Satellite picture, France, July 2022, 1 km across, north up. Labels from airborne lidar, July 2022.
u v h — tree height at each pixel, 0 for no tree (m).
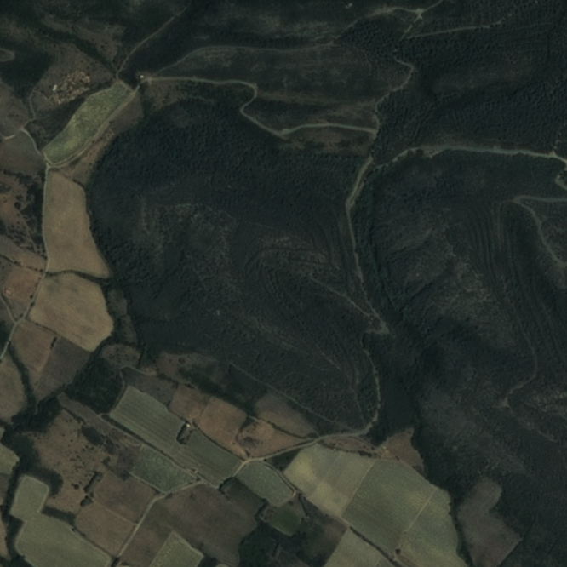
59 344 0
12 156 0
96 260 0
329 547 0
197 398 0
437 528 0
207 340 6
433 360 9
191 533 0
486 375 5
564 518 6
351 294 8
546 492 6
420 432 8
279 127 0
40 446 0
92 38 0
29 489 0
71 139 0
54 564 0
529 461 7
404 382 13
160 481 0
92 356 6
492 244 9
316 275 8
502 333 0
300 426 0
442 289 6
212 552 0
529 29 8
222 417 0
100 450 0
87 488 10
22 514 0
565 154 7
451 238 7
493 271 6
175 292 9
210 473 0
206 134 9
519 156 7
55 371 0
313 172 8
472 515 0
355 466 0
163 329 9
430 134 6
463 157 7
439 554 0
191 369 0
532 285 9
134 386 0
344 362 8
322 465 0
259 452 0
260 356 8
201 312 7
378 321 7
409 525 0
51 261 0
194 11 9
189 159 9
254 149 11
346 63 0
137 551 0
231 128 11
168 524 0
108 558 0
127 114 0
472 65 14
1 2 6
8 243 0
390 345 6
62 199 0
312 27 0
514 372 7
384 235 6
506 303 7
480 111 10
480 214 6
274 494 0
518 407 6
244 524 0
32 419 11
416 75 12
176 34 9
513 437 6
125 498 0
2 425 6
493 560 0
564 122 14
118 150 9
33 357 0
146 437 0
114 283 11
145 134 6
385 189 0
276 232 6
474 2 9
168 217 7
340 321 10
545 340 12
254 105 6
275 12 0
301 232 7
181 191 7
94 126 0
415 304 10
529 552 6
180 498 0
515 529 7
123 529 0
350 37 9
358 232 16
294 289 10
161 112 6
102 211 0
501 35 8
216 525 0
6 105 0
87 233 0
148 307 6
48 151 0
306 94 0
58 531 0
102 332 0
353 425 6
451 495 10
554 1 15
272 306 7
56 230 0
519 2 10
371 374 10
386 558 0
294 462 0
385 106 8
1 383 0
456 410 0
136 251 10
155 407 0
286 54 0
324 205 9
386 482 0
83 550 0
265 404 0
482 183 0
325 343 10
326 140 0
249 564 7
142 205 0
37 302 0
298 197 6
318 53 0
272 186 9
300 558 7
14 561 10
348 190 11
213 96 6
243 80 0
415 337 8
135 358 0
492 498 0
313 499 0
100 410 8
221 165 11
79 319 0
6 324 0
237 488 0
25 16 6
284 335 6
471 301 0
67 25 0
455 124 8
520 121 13
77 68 0
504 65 7
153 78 0
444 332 11
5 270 0
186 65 0
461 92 7
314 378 7
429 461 8
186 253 7
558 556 9
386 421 6
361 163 12
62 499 0
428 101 12
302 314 11
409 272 6
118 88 0
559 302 12
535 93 12
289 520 0
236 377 9
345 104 0
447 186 8
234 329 6
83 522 0
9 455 0
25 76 6
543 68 6
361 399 9
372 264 14
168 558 0
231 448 0
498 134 8
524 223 6
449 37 10
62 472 0
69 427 0
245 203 7
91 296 0
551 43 9
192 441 0
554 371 10
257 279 8
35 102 0
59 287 0
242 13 0
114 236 9
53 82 0
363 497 0
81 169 0
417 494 0
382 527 0
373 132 0
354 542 0
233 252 6
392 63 8
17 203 6
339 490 0
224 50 0
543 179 6
